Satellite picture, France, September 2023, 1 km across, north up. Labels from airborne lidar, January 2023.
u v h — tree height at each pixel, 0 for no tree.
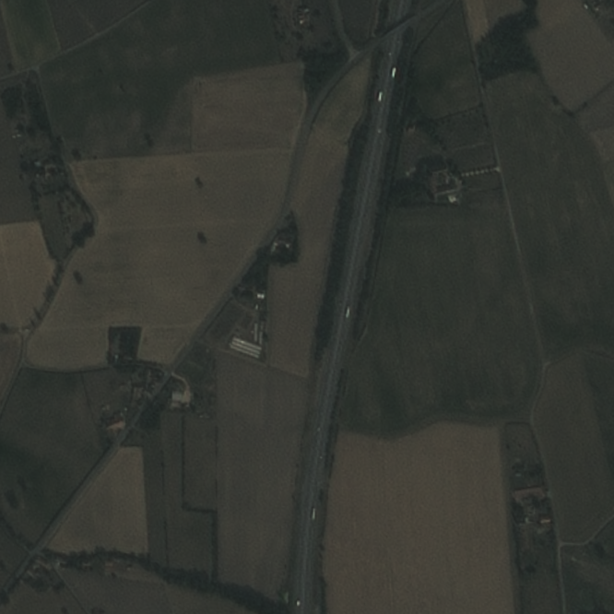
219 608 0
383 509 0
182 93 0
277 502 0
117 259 0
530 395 0
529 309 0
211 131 0
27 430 0
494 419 0
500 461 0
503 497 0
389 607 0
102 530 0
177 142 0
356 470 0
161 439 0
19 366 0
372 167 0
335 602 0
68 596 0
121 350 6
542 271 0
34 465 0
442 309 0
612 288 0
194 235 0
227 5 0
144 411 6
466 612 0
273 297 0
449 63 0
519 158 0
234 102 0
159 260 0
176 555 0
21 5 0
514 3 0
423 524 0
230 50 0
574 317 0
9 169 0
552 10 0
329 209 0
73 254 0
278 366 0
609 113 0
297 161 0
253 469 0
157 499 0
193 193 0
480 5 0
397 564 0
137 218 0
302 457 0
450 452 0
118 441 0
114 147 0
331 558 0
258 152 0
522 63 11
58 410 0
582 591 0
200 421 0
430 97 0
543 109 0
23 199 0
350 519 0
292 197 0
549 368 0
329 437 6
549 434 0
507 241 0
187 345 0
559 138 0
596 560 0
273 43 0
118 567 0
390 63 0
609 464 0
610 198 0
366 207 0
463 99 0
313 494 0
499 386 0
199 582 21
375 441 0
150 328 0
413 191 14
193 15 0
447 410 0
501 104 0
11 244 0
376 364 0
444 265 0
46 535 0
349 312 0
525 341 0
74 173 0
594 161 0
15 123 0
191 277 0
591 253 0
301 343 0
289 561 0
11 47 0
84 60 0
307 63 11
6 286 0
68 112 0
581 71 0
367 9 0
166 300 0
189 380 0
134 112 0
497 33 13
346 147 0
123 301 0
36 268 0
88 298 0
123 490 0
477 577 0
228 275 0
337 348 0
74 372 0
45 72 0
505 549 0
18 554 0
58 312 0
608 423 0
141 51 0
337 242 7
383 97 0
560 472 0
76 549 0
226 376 0
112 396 0
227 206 0
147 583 0
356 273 0
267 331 0
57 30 0
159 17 0
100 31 0
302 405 0
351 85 0
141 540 0
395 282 0
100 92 0
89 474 0
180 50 0
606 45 0
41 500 0
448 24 0
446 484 0
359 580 0
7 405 0
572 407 0
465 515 0
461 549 0
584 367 0
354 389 0
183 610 0
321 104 0
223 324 0
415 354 0
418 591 0
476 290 0
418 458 0
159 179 0
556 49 0
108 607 0
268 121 0
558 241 0
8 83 0
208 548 0
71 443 0
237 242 0
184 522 0
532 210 0
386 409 0
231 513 0
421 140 0
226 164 0
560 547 0
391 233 0
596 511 0
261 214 0
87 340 0
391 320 0
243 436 0
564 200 0
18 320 0
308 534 0
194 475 0
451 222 0
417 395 0
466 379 0
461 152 0
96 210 0
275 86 0
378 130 0
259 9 0
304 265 0
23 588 0
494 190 0
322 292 0
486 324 0
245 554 0
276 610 17
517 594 0
